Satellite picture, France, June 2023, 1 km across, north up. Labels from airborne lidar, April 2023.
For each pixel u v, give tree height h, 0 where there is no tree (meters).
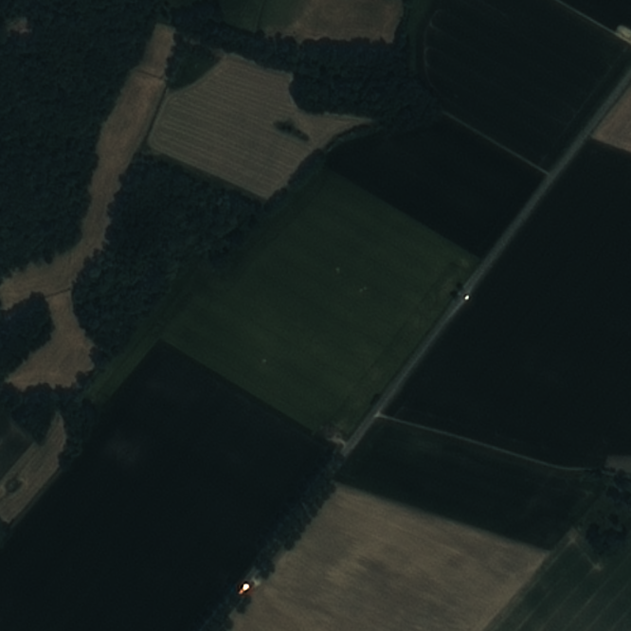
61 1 23
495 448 0
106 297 23
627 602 0
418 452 0
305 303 0
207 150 0
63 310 0
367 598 0
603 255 0
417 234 0
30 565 0
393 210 0
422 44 0
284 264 0
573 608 0
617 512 0
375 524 0
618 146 0
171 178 25
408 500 0
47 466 0
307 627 0
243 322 0
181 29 22
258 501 0
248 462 0
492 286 0
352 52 27
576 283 0
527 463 0
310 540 0
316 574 0
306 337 0
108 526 0
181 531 0
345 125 0
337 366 0
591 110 0
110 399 0
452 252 0
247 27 0
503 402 0
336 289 0
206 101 0
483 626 0
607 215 0
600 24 0
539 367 0
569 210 0
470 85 0
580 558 0
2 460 0
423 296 0
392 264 0
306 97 33
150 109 0
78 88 23
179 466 0
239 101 0
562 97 0
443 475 0
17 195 26
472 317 0
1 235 20
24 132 17
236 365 0
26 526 0
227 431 0
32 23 20
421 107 32
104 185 0
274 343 0
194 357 0
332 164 0
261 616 0
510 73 0
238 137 0
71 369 0
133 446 0
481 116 0
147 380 0
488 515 0
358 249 0
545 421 0
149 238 25
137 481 0
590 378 0
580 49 0
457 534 0
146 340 0
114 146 0
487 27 0
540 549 0
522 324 0
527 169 0
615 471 9
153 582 0
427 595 0
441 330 0
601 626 0
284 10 0
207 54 6
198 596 0
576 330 0
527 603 0
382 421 0
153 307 14
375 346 0
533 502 0
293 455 0
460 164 0
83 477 0
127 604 0
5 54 25
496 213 0
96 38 28
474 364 0
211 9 22
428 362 0
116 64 23
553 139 0
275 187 0
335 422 0
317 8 0
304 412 0
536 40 0
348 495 0
